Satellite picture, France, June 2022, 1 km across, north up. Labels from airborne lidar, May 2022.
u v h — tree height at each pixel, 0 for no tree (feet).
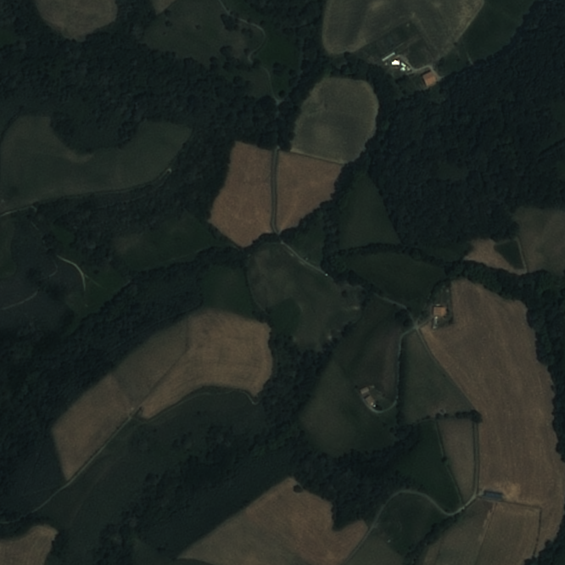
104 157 0
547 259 0
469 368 0
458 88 69
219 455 63
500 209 74
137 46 34
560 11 90
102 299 0
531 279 41
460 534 0
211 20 0
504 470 0
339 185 54
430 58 0
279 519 0
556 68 65
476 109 67
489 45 0
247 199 0
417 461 0
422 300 0
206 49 0
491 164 62
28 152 0
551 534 0
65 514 0
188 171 48
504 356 0
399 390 33
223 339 0
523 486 0
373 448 0
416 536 0
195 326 0
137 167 0
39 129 0
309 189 0
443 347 0
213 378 0
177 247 0
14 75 42
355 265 0
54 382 26
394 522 0
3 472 47
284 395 39
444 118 41
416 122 61
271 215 0
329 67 63
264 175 0
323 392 0
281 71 51
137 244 0
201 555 0
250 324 0
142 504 31
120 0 51
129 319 39
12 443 34
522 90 76
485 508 0
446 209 67
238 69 45
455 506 0
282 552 0
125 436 0
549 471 0
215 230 31
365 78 22
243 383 0
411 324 26
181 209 27
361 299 0
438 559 0
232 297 0
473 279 63
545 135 61
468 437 0
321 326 0
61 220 28
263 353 0
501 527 0
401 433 54
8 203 0
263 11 42
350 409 0
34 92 18
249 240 0
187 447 52
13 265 0
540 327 86
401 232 47
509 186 60
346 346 0
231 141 56
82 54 55
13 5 53
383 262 0
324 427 0
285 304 0
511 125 42
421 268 0
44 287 28
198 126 18
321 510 0
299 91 67
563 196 61
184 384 0
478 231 87
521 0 0
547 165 55
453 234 86
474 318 0
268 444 76
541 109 27
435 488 0
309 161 0
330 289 0
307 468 49
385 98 68
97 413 0
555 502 0
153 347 0
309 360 67
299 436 33
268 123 59
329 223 39
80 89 21
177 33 0
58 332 18
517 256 0
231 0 0
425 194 55
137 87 23
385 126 83
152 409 0
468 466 0
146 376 0
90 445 0
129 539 68
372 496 35
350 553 0
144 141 0
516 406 0
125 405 0
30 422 37
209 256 57
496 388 0
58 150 0
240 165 0
